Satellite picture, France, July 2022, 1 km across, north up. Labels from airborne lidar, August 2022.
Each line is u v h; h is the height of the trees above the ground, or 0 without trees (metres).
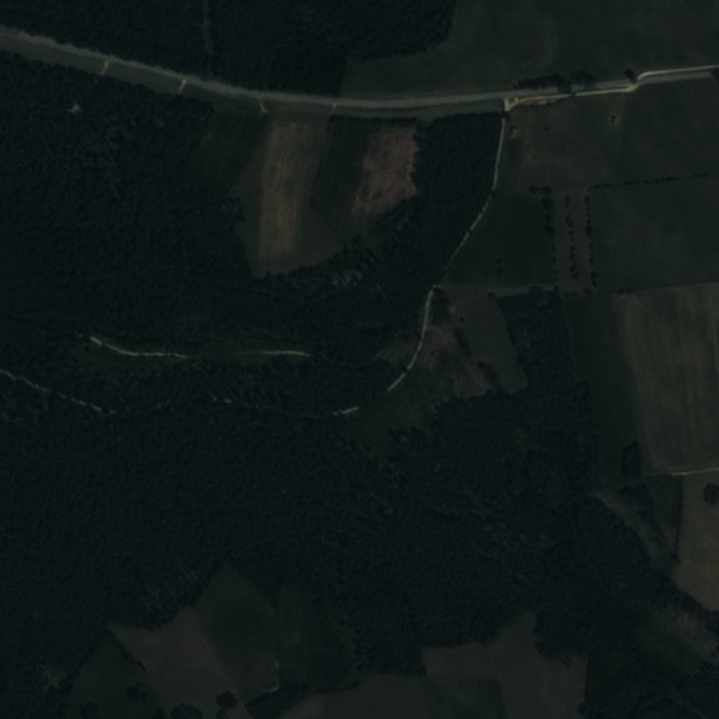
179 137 34
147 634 0
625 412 0
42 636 19
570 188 0
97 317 9
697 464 0
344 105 0
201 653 0
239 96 0
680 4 0
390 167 0
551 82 13
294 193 0
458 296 0
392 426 0
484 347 0
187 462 30
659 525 16
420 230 27
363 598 15
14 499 31
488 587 27
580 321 0
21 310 14
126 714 0
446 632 26
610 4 0
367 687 0
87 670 0
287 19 27
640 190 0
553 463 30
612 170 0
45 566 23
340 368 23
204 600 0
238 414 26
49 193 30
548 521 14
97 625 23
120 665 0
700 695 25
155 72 0
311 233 0
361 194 0
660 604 24
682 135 0
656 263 0
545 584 27
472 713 0
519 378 0
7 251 11
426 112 0
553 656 21
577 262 6
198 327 12
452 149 14
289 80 9
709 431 0
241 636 0
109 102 30
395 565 28
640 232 0
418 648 9
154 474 27
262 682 0
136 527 31
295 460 28
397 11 20
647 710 24
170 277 18
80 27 29
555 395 29
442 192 16
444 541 24
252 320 19
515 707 0
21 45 0
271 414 26
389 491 31
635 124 0
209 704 0
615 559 23
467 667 0
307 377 27
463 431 24
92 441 31
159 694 0
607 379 0
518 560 25
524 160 0
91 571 14
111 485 26
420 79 0
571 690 0
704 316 0
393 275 24
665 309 0
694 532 0
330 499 32
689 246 0
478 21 0
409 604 17
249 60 25
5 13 25
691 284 0
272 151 0
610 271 0
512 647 0
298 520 30
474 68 0
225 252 6
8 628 20
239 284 16
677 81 0
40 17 31
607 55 0
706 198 0
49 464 25
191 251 10
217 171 0
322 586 8
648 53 0
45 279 11
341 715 0
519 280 0
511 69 0
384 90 0
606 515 32
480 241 0
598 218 0
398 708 0
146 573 25
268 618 0
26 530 25
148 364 12
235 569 10
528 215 0
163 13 24
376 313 20
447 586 25
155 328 14
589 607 10
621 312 0
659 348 0
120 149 32
